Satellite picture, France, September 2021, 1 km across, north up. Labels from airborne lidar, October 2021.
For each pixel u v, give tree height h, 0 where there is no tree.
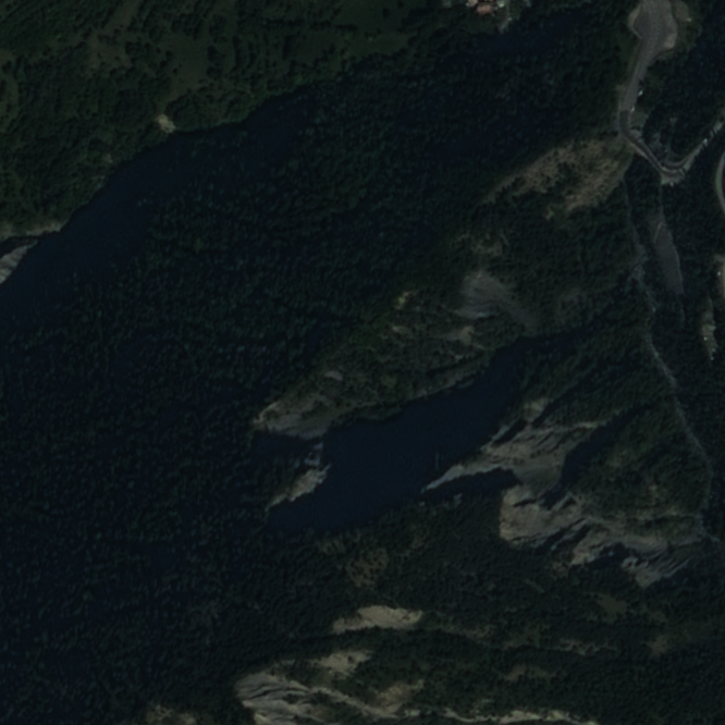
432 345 8
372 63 15
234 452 24
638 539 0
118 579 14
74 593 14
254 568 25
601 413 13
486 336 8
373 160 23
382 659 7
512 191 10
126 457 26
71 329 20
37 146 17
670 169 0
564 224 8
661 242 0
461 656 13
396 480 0
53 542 26
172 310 27
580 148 8
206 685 22
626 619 8
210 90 8
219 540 14
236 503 19
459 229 18
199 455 28
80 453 16
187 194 22
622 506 8
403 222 22
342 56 13
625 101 0
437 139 23
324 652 15
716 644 20
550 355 17
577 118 13
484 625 9
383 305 15
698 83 15
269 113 22
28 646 18
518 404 15
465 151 17
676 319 9
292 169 25
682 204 17
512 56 29
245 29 15
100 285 23
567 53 26
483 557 18
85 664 23
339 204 14
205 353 21
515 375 17
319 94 23
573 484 10
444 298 23
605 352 16
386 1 0
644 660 9
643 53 0
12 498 24
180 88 0
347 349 8
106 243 16
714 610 17
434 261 19
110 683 7
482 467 0
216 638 24
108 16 11
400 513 13
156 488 24
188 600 12
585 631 13
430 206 23
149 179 17
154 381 18
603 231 10
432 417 13
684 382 21
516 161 16
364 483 0
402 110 18
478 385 8
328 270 27
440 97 19
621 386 36
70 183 20
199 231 25
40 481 14
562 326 6
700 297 15
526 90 13
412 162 22
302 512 0
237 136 30
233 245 12
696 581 9
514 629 9
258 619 21
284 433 0
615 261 21
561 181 7
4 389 8
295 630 13
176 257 16
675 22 0
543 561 14
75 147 15
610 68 27
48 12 14
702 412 12
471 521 17
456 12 8
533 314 7
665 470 12
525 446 0
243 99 20
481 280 0
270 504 16
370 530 15
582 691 9
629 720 7
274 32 18
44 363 21
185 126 12
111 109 11
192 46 0
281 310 29
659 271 18
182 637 23
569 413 13
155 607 14
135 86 15
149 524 11
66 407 30
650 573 0
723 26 21
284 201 25
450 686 9
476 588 18
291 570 25
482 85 37
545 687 10
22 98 12
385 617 0
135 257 26
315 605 22
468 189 21
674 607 12
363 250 26
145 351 23
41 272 14
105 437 16
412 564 11
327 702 12
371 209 25
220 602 23
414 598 7
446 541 12
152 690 18
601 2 18
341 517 0
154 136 16
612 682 11
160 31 9
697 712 11
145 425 11
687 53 14
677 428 15
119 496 14
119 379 11
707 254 7
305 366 7
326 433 0
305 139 19
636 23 0
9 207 9
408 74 10
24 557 19
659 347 19
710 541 6
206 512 10
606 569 7
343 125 17
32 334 21
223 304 26
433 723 8
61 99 17
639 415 19
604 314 8
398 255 23
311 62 0
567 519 0
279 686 0
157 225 19
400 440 0
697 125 9
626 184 14
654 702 15
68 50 8
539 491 0
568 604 9
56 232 0
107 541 10
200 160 19
